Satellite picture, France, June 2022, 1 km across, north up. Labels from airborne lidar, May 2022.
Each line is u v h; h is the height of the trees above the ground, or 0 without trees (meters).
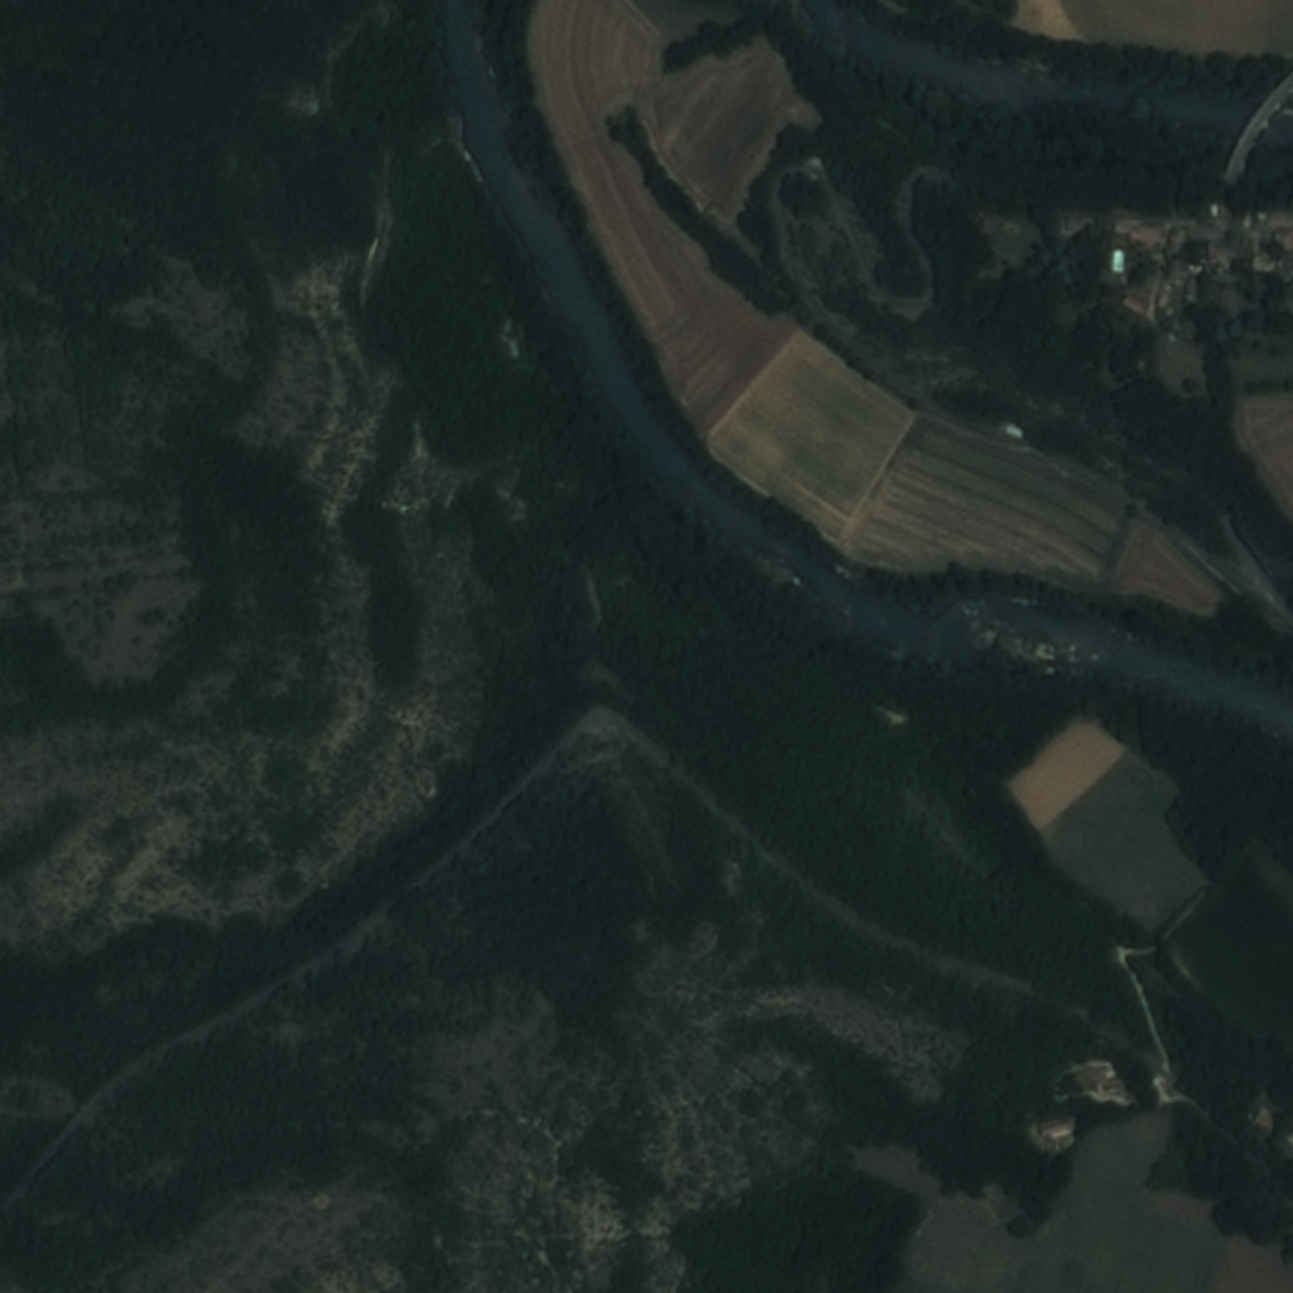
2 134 6
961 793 9
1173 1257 0
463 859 9
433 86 16
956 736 19
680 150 0
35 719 7
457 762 7
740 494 14
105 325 10
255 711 7
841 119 16
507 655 9
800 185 15
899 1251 13
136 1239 6
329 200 11
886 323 8
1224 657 16
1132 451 5
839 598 0
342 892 7
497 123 0
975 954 8
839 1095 11
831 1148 9
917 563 0
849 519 0
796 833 11
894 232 15
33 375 6
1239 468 14
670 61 10
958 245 17
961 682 27
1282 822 18
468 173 11
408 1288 6
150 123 11
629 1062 6
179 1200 8
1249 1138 14
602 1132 7
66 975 10
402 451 6
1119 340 14
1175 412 15
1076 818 0
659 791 6
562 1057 7
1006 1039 11
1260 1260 0
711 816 8
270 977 7
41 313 7
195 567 6
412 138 11
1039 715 19
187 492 7
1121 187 16
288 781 6
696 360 0
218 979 9
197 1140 6
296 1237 0
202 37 12
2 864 9
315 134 7
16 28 15
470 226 9
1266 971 0
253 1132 9
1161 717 18
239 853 7
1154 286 0
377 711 6
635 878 10
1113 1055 13
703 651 13
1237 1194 22
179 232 10
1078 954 12
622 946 8
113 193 10
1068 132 35
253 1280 0
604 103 0
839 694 15
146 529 7
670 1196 6
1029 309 20
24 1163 8
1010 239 0
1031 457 0
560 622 12
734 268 6
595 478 16
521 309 17
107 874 5
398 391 40
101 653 0
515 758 10
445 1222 6
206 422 8
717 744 12
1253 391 12
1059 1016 10
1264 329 7
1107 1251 0
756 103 0
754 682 13
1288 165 20
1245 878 0
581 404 19
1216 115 0
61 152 7
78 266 9
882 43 0
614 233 0
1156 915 0
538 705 14
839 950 8
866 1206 12
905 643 0
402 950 6
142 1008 7
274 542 6
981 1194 19
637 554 12
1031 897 14
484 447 9
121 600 0
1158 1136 0
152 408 7
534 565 7
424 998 7
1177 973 13
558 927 11
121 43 10
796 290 9
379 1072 6
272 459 8
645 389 19
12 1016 13
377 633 11
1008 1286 0
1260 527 11
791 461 0
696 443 11
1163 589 0
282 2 11
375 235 37
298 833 9
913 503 0
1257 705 0
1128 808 0
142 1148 6
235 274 8
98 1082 9
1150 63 21
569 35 0
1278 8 0
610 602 8
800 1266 15
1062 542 0
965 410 17
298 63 9
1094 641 0
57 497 7
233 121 8
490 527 10
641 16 0
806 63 12
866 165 13
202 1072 8
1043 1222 23
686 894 10
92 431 6
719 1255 15
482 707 6
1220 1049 13
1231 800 20
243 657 6
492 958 9
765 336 0
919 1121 9
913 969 11
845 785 10
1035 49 13
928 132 32
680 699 12
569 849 10
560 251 0
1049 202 16
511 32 14
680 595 19
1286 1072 6
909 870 12
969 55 9
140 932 9
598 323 0
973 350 8
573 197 14
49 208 6
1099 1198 0
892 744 13
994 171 26
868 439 0
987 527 0
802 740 14
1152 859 0
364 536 7
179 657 6
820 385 0
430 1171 8
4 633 9
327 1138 10
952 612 0
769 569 0
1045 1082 11
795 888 7
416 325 15
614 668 11
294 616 8
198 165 12
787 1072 7
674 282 0
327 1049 7
